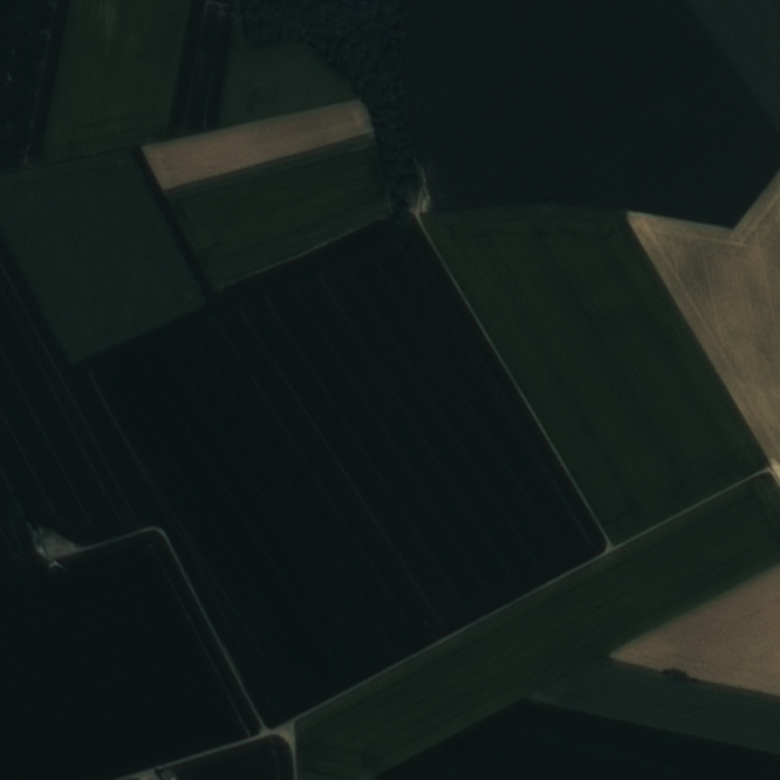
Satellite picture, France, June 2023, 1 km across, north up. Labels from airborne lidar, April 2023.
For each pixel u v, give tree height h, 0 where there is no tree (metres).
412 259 0
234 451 0
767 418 0
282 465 0
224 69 0
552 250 0
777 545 0
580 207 0
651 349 0
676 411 0
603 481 0
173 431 0
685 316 0
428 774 0
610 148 0
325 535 0
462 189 0
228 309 0
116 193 0
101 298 0
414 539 0
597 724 0
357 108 0
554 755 0
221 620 0
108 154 0
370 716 0
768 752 0
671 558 0
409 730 0
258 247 0
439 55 0
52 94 0
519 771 0
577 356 0
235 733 0
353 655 0
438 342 0
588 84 0
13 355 0
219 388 0
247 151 0
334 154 0
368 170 0
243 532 0
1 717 0
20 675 0
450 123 0
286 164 0
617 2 0
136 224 0
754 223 0
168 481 0
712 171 0
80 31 0
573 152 0
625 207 0
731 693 0
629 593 0
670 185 0
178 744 0
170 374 0
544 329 0
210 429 0
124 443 0
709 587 0
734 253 0
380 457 0
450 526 0
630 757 0
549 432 0
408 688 0
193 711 0
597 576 0
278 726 0
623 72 0
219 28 0
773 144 0
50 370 0
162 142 0
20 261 0
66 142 0
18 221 0
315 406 0
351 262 0
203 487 0
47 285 0
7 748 0
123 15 0
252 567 0
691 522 0
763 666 0
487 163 0
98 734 0
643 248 0
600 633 0
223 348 0
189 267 0
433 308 0
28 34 0
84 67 0
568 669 0
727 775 0
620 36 0
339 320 0
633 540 0
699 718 0
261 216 0
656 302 0
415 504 0
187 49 0
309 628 0
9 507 0
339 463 0
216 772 0
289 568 0
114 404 0
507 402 0
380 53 27
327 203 0
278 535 0
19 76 0
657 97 0
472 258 0
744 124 0
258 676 0
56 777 0
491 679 0
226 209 0
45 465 0
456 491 0
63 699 0
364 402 0
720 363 0
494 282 0
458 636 0
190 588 0
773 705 0
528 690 0
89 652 0
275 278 0
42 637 0
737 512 0
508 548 0
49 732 0
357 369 0
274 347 0
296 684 0
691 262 0
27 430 0
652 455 0
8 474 0
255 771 0
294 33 13
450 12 0
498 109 0
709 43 0
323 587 0
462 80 0
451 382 0
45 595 0
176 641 0
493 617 0
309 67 0
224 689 0
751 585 0
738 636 0
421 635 0
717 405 0
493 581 0
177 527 0
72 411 0
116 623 0
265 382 0
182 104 0
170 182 0
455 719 0
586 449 0
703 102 0
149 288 0
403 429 0
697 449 0
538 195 0
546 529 0
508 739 0
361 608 0
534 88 0
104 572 0
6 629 0
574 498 0
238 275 0
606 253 0
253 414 0
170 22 0
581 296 0
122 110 0
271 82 0
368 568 0
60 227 0
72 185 0
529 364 0
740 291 0
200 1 0
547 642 0
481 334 0
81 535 0
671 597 0
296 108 0
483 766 0
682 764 0
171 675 0
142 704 0
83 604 0
